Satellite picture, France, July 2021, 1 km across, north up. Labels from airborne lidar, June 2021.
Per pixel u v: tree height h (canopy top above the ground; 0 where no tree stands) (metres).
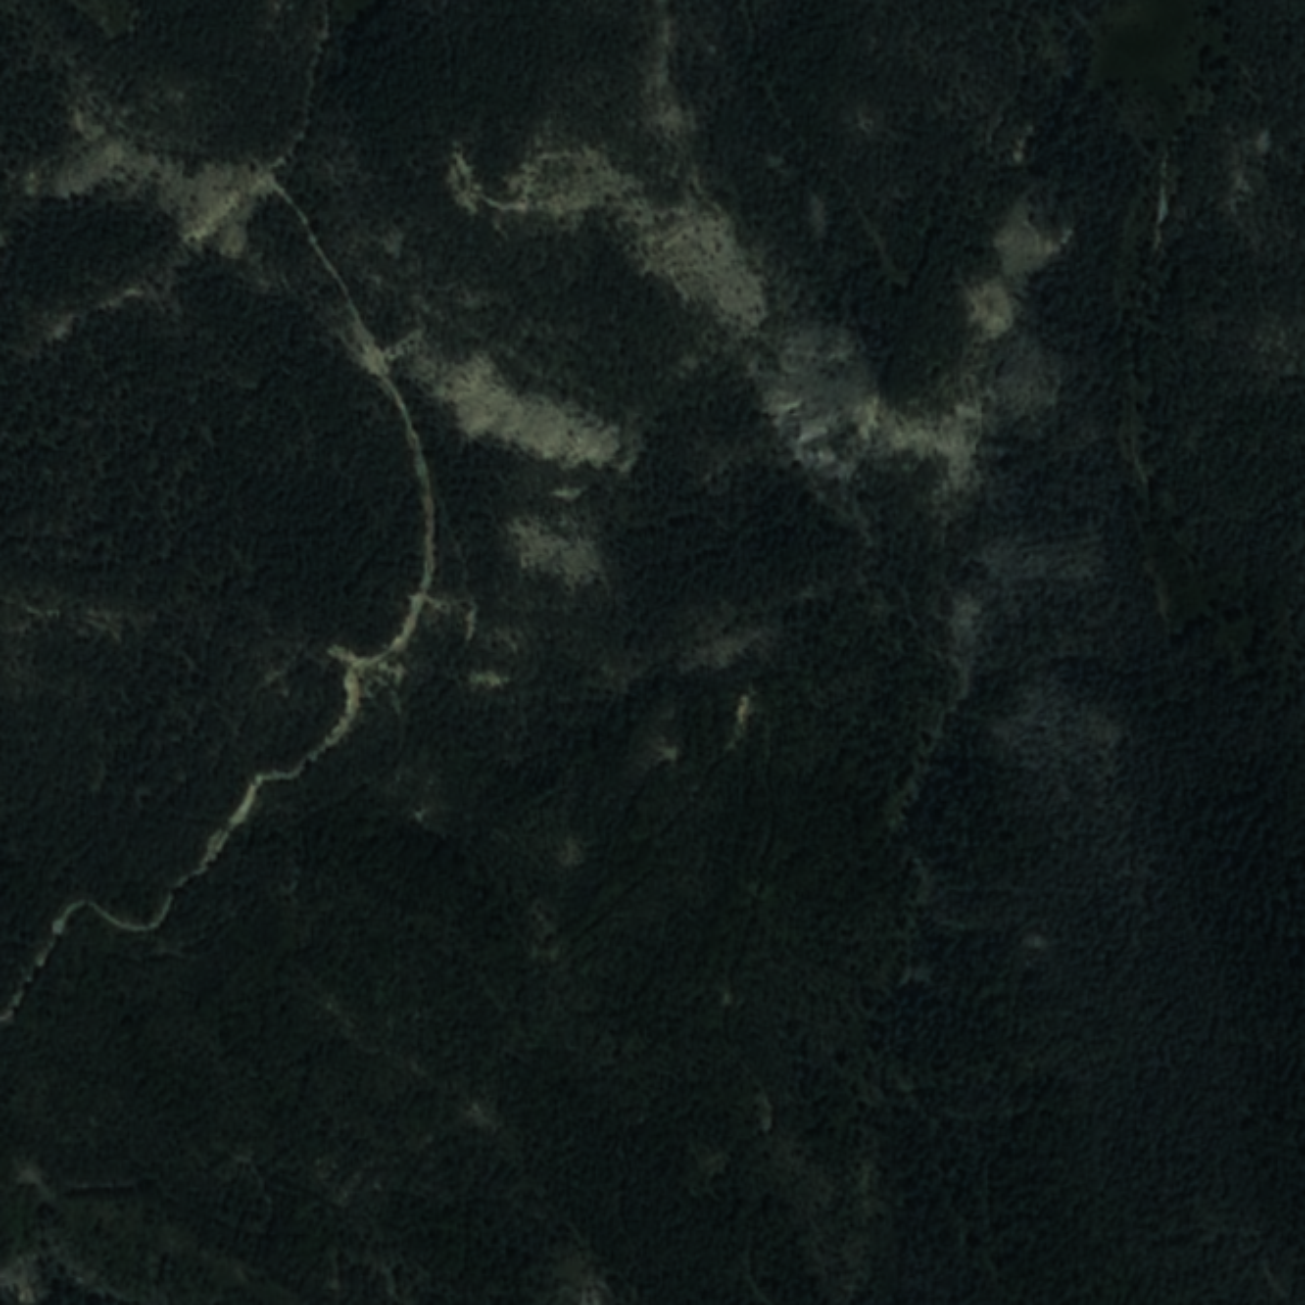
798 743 9
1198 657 18
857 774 10
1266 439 11
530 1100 12
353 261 7
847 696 11
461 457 7
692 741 12
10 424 12
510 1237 11
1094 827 8
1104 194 8
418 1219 11
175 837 9
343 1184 7
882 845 17
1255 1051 18
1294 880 27
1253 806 30
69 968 8
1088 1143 7
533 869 11
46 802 8
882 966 13
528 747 13
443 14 10
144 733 11
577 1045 7
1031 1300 10
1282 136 8
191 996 7
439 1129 7
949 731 10
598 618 8
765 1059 14
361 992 8
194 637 9
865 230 9
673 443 8
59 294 9
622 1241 16
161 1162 6
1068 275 10
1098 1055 12
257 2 8
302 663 7
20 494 11
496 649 7
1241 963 23
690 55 7
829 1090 10
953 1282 10
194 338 11
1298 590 7
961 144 15
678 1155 16
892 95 9
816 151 9
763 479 15
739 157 7
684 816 7
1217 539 13
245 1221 10
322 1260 9
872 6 9
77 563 10
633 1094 8
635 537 11
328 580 15
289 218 8
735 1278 7
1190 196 10
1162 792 9
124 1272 7
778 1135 6
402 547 9
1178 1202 8
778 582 12
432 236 6
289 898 7
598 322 10
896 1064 6
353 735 8
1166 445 16
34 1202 11
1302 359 7
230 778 6
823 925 10
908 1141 13
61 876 6
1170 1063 8
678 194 7
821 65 11
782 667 9
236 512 13
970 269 14
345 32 10
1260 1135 22
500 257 6
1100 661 11
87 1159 6
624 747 8
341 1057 10
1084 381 7
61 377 12
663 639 9
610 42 12
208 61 8
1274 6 10
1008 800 8
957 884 9
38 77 10
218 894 13
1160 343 14
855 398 0
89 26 6
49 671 5
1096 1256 12
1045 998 8
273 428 8
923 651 11
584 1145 13
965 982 12
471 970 11
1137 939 6
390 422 7
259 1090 8
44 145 9
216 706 9
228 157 6
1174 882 10
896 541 9
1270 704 14
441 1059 7
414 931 9
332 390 8
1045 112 15
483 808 11
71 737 6
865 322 8
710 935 12
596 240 5
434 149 7
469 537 7
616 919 10
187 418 10
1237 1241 10
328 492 14
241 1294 10
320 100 16
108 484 13
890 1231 7
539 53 12
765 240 7
